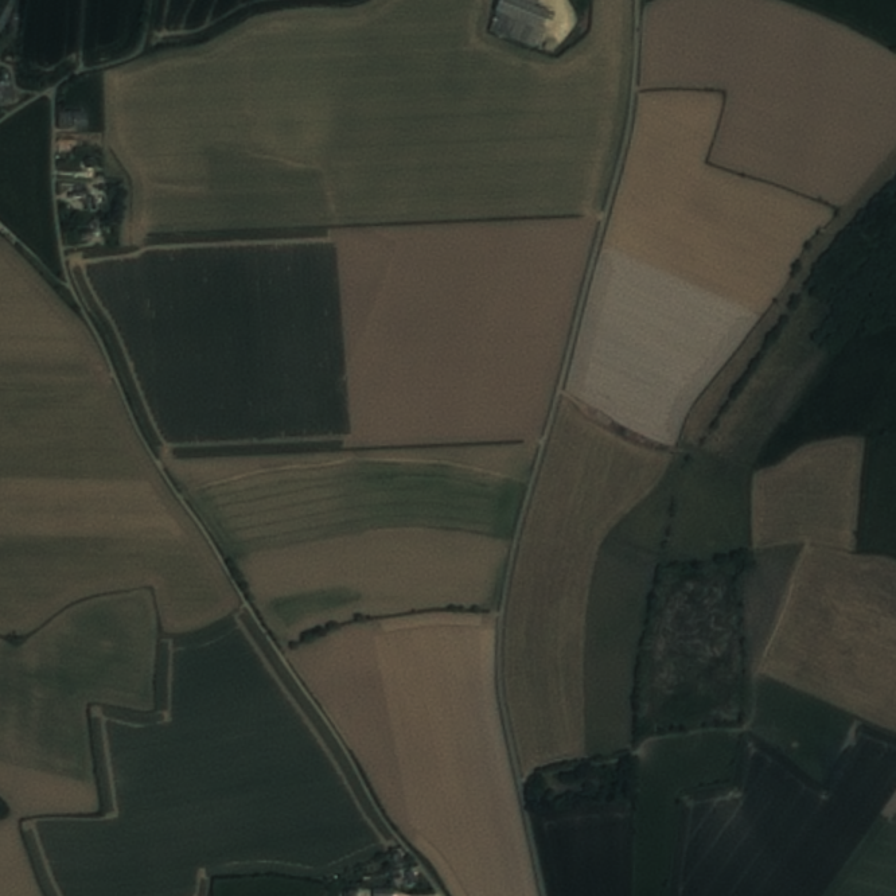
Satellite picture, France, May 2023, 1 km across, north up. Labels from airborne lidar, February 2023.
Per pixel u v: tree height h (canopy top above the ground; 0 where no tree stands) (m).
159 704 0
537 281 0
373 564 0
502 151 0
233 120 0
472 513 0
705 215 0
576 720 0
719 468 0
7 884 0
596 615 0
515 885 0
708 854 0
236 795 0
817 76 0
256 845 0
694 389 0
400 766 0
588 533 0
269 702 0
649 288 0
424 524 0
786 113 0
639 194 0
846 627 0
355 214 0
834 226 0
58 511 0
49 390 0
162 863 0
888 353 0
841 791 0
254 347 0
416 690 0
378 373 0
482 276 0
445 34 0
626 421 0
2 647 0
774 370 0
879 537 0
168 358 0
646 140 0
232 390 0
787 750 0
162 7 0
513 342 0
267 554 0
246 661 0
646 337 0
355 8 0
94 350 0
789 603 0
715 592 0
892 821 0
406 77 0
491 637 0
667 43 0
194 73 0
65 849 0
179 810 0
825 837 0
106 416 0
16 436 0
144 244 0
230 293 0
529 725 0
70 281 0
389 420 0
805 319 0
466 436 0
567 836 0
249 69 0
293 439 0
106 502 0
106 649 0
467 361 0
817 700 0
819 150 0
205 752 0
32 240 0
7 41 0
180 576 0
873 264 8
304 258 0
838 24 0
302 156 0
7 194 0
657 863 0
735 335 0
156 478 0
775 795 0
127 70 0
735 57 0
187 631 0
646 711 0
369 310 0
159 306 0
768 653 0
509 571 0
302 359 0
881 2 0
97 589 0
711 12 0
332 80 0
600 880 0
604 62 0
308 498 0
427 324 0
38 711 0
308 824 0
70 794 0
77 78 10
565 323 0
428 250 0
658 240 0
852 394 0
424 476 0
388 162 0
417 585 0
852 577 0
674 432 0
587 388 0
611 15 0
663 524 0
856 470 0
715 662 0
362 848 0
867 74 0
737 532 0
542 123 0
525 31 0
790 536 0
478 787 0
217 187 0
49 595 0
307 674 0
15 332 0
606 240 0
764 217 0
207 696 0
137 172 0
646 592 0
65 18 0
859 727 0
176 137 0
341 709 0
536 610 0
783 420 0
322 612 0
